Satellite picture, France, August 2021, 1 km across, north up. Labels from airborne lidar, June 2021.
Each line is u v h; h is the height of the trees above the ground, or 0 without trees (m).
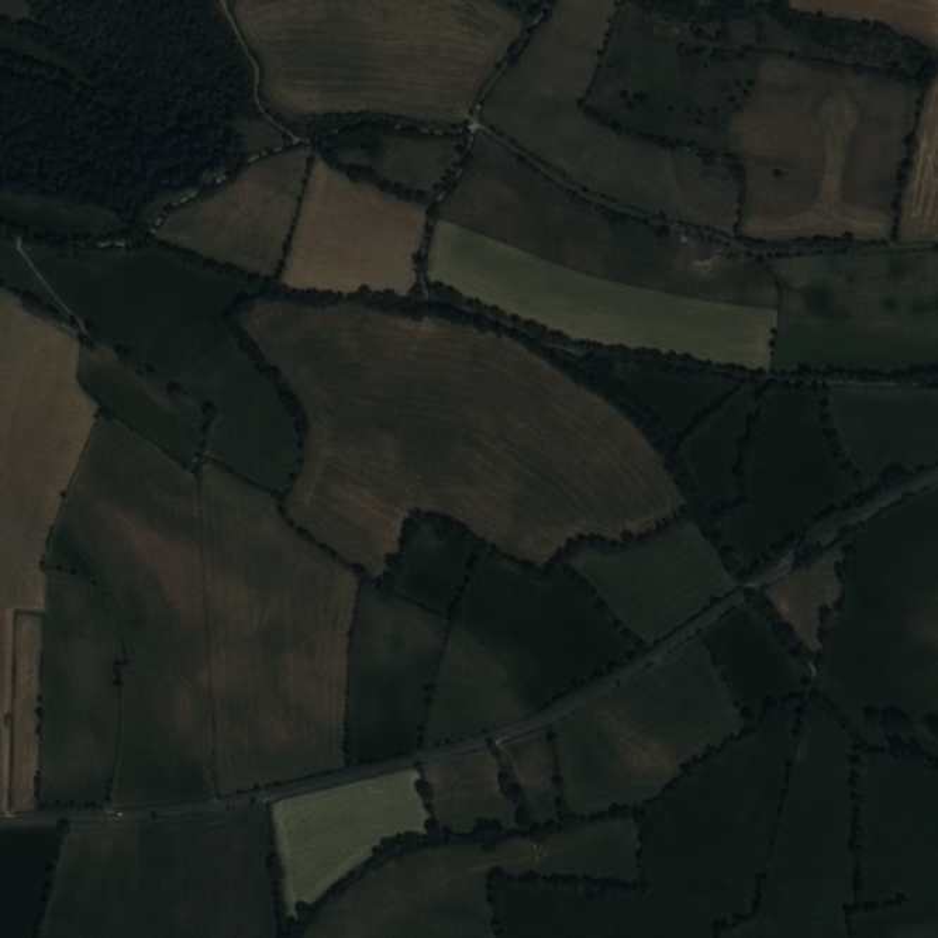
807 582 0
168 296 0
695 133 0
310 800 0
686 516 15
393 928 0
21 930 0
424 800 13
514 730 0
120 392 0
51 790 0
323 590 0
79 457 0
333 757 0
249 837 0
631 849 0
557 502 0
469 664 0
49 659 0
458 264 0
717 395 0
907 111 0
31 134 20
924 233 0
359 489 0
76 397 0
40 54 0
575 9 0
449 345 0
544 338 11
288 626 0
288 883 0
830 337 0
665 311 0
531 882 14
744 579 14
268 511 0
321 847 0
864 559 0
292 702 0
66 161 22
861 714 0
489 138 0
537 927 0
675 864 0
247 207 0
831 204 0
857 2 0
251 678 0
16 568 0
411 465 0
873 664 0
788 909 0
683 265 0
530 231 0
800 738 13
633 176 0
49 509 0
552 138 0
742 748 0
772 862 0
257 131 0
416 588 0
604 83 0
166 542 0
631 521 0
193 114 13
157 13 11
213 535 0
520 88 0
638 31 0
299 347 0
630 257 0
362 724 0
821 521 9
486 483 0
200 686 0
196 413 0
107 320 0
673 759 0
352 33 0
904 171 12
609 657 0
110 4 14
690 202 0
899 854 0
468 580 9
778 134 0
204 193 13
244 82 11
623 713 0
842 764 0
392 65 0
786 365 0
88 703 0
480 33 0
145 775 0
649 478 0
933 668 0
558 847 0
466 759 0
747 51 10
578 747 0
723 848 0
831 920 0
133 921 0
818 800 0
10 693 0
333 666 0
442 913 0
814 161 0
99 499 0
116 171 19
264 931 0
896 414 0
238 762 0
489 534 0
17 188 23
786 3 11
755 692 0
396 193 10
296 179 0
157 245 12
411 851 15
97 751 0
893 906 8
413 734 0
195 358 0
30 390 0
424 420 0
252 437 0
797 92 0
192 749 0
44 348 0
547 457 0
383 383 0
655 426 13
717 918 0
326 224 0
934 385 6
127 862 0
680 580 0
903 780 0
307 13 0
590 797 0
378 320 0
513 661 0
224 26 11
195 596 0
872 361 0
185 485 0
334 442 0
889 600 0
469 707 0
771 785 0
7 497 0
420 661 0
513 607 0
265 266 0
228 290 0
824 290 0
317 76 0
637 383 0
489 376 0
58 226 0
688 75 0
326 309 10
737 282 0
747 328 0
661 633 0
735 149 0
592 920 0
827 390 14
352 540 0
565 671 0
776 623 11
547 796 0
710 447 0
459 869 0
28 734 0
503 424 0
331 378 0
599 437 0
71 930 0
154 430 0
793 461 0
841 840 0
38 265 0
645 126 0
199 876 0
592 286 0
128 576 0
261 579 0
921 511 0
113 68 11
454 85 0
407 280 0
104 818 0
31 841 0
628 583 0
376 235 0
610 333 0
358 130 11
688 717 0
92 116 23
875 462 0
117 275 0
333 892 7
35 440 0
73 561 0
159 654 0
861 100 0
